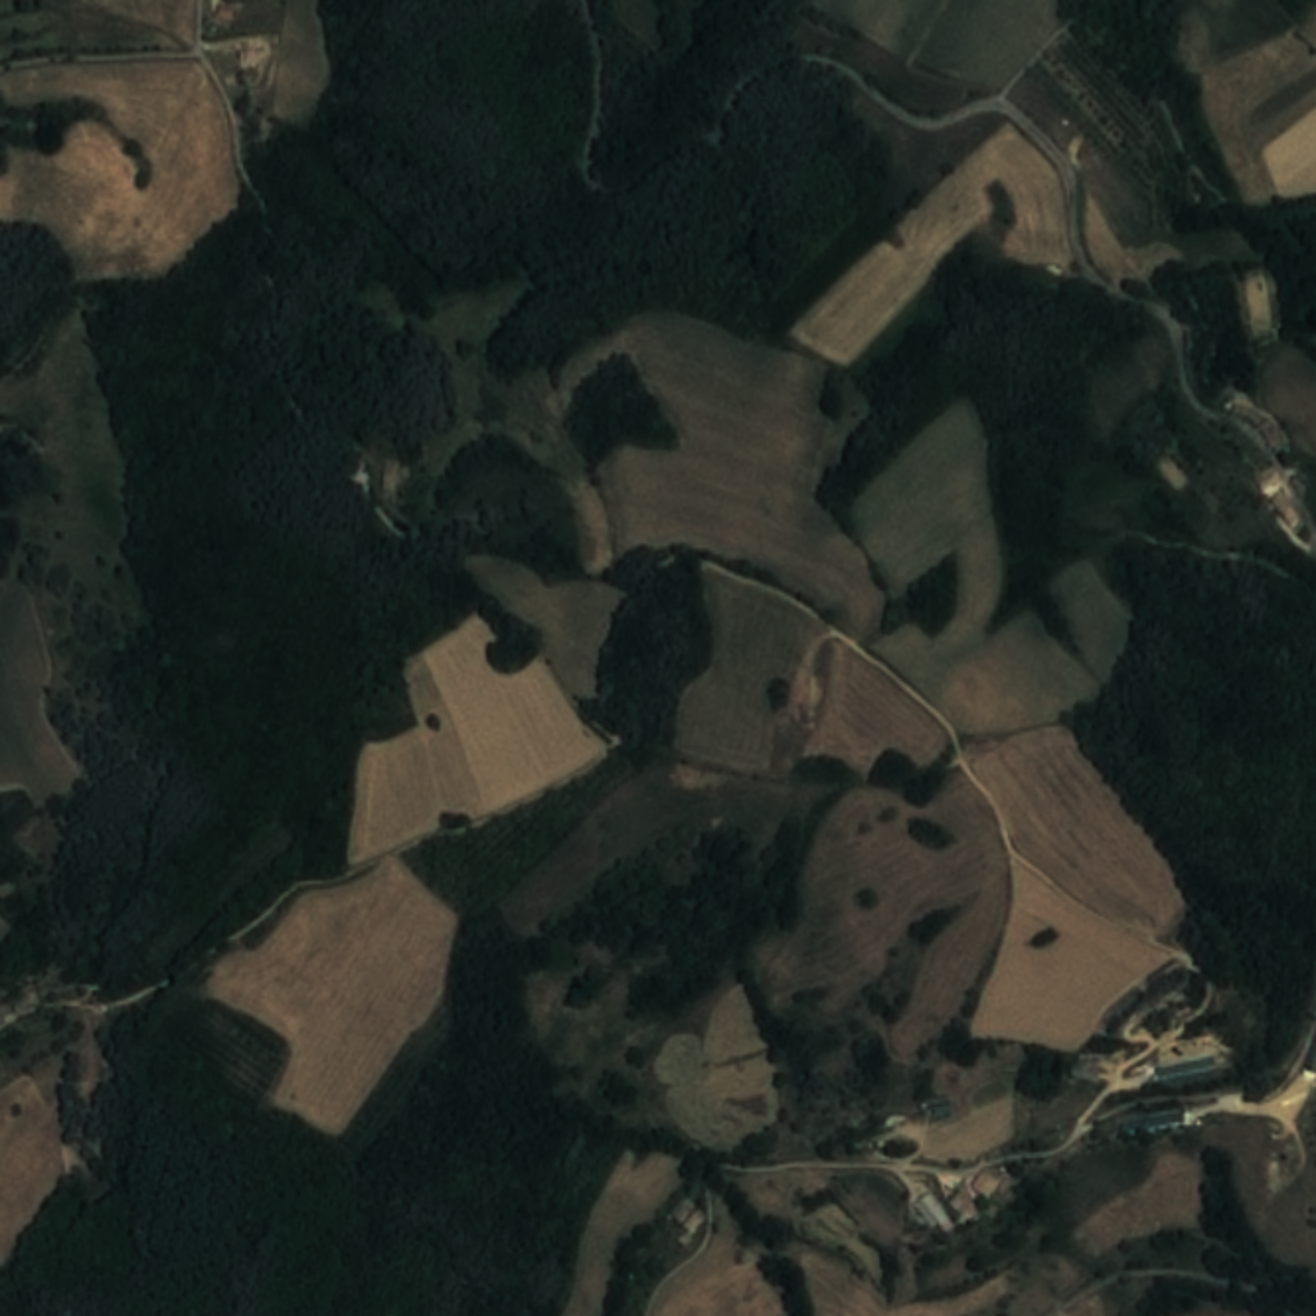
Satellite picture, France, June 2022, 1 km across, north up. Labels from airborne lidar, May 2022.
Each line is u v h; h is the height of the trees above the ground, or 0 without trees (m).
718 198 17
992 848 0
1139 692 15
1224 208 12
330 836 12
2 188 0
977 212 0
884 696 0
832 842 0
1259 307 0
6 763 0
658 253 19
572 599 0
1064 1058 7
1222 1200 13
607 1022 0
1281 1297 12
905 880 0
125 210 0
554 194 19
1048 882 0
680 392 0
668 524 0
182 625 6
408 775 0
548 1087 17
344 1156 13
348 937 0
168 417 17
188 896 13
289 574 13
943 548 0
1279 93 0
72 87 0
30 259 13
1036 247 0
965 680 0
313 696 13
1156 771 15
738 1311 0
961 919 0
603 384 7
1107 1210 0
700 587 7
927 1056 8
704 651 14
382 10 14
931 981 0
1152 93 13
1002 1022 0
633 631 15
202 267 8
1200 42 0
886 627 9
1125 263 0
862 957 0
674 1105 0
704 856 13
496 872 8
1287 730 18
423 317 9
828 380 7
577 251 23
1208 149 6
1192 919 9
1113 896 0
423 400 22
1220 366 16
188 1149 26
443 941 0
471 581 14
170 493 14
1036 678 0
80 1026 6
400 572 19
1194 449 7
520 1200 16
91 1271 13
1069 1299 0
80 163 0
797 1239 8
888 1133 0
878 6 0
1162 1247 11
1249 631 14
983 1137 0
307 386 24
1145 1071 0
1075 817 0
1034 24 0
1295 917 17
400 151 16
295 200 13
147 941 13
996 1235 6
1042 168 0
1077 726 7
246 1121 15
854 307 0
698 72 17
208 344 10
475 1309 15
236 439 15
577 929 10
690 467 0
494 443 12
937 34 0
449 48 17
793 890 12
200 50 0
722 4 21
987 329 12
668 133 20
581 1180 11
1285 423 6
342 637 16
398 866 0
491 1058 16
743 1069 0
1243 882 15
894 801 0
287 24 0
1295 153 0
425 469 12
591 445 9
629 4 0
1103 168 0
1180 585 9
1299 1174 0
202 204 0
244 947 0
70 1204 11
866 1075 9
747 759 0
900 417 12
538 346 16
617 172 25
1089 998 0
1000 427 12
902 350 9
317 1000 0
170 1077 19
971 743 0
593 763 0
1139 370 0
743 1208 19
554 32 11
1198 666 17
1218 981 11
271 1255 13
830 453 0
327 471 18
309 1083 0
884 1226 0
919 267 0
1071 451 8
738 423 0
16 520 9
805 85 15
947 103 0
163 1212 29
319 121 6
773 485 0
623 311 12
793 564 0
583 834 0
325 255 18
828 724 0
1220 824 19
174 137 0
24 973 13
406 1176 14
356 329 13
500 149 13
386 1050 0
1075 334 12
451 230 15
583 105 12
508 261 17
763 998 6
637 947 12
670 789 0
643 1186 0
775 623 0
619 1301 14
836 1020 0
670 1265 11
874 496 0
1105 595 0
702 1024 0
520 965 14
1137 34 8
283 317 15
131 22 0
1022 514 8
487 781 0
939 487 0
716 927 12
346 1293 12
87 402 0
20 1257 9
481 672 0
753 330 13
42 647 0
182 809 15
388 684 19
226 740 12
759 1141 9
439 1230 14
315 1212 16
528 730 0
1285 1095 0
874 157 8
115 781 13
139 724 13
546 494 0
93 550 0
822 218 15
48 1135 0
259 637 9
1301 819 16
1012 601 9
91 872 12
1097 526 0
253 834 12
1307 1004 13
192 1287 16
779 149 16
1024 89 0
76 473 0
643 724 11
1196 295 7
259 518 16
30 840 0
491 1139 15
